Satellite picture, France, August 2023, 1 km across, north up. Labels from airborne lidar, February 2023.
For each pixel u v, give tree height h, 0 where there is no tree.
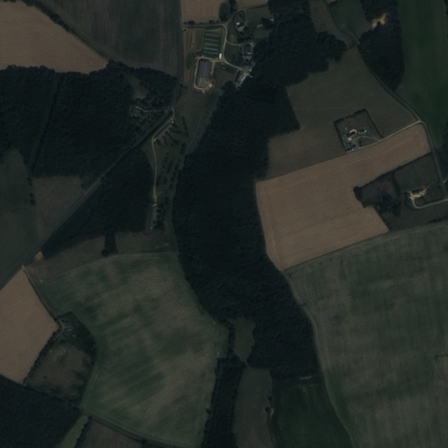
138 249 0
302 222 0
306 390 0
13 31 0
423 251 0
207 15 0
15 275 0
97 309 0
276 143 0
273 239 0
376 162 0
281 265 0
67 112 22
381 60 15
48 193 0
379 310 0
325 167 0
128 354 0
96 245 0
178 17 0
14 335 0
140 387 0
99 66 0
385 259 0
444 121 0
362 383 0
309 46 19
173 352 0
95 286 0
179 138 0
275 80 19
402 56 12
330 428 0
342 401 0
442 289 0
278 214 0
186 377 0
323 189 0
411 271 0
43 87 18
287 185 0
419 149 0
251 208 17
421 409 0
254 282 21
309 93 0
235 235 8
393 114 0
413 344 0
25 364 0
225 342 0
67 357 0
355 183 0
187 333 0
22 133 21
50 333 0
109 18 0
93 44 0
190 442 0
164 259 0
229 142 23
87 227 17
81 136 16
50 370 0
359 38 0
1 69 0
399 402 0
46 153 15
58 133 15
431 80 0
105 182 15
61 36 0
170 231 0
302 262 0
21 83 24
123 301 0
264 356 17
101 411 0
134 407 0
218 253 12
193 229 18
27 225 0
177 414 0
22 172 0
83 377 0
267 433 0
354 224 0
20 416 19
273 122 16
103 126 21
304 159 0
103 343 0
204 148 22
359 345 0
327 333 0
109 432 0
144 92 0
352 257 0
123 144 15
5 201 0
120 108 18
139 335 0
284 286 8
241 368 10
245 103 20
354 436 0
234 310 14
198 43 0
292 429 0
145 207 11
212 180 15
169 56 0
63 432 14
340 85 0
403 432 0
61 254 0
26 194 0
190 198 9
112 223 11
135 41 0
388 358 0
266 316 21
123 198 12
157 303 0
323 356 0
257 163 12
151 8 0
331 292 0
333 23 0
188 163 17
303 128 0
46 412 20
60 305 0
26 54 0
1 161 6
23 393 14
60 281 0
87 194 0
